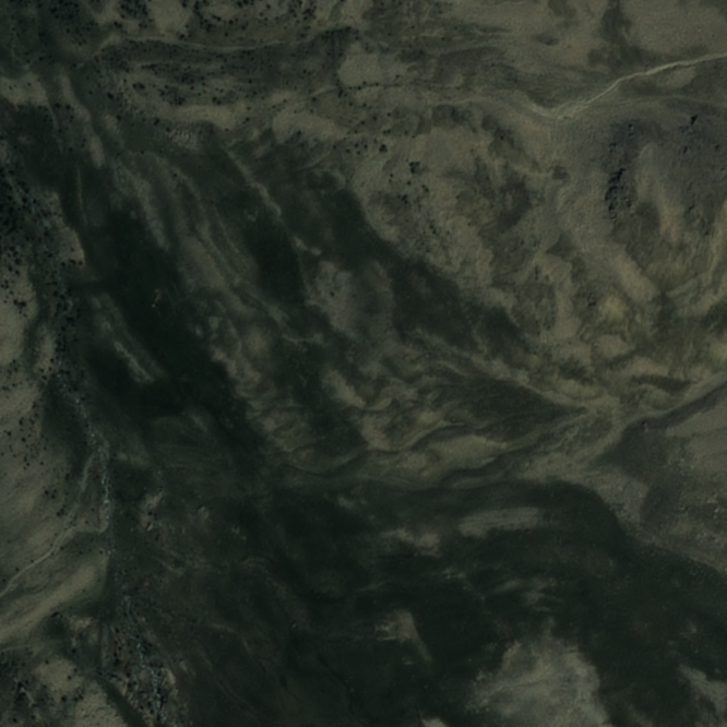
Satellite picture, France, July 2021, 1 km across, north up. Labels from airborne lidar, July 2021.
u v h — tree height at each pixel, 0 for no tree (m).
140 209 0
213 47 0
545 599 0
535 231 0
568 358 0
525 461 0
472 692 0
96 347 0
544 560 0
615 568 0
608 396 0
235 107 0
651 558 0
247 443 0
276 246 0
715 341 0
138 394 0
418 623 0
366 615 0
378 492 0
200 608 0
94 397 0
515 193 0
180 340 0
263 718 0
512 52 0
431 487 0
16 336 0
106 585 0
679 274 0
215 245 0
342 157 0
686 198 0
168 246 0
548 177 0
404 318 0
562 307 0
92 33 0
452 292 0
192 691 0
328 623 0
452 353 0
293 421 0
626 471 0
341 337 0
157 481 0
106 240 0
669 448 0
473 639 0
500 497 0
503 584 0
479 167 0
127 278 0
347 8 0
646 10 0
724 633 0
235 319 0
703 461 0
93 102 0
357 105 0
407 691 0
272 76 0
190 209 0
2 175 9
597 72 0
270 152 0
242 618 0
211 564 0
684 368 0
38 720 0
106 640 0
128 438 0
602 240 0
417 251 0
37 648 0
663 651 0
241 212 0
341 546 0
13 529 0
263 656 0
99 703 0
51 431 0
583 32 0
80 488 0
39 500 0
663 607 0
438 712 0
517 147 0
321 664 0
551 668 0
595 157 0
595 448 0
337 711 0
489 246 0
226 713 0
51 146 0
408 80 0
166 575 0
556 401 0
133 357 0
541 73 0
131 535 0
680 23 0
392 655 0
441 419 0
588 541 0
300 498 0
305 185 0
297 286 0
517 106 0
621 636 0
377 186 0
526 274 0
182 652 0
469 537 0
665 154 0
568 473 0
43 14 0
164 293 0
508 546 0
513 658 0
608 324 0
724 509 0
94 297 0
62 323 0
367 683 0
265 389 0
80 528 0
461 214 0
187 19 0
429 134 0
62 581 0
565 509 0
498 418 0
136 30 0
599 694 0
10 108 0
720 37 0
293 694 0
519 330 0
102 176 0
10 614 0
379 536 0
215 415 0
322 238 0
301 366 0
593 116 0
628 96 0
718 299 0
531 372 0
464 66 0
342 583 0
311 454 0
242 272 0
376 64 0
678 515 0
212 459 0
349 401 0
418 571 0
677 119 0
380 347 0
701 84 0
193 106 0
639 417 0
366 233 0
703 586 0
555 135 0
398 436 0
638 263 0
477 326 0
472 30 0
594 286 0
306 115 0
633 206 0
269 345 0
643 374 0
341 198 0
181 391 0
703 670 0
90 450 0
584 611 0
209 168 0
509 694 0
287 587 0
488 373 0
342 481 0
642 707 0
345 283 0
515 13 0
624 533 0
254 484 0
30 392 0
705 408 0
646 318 0
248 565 0
